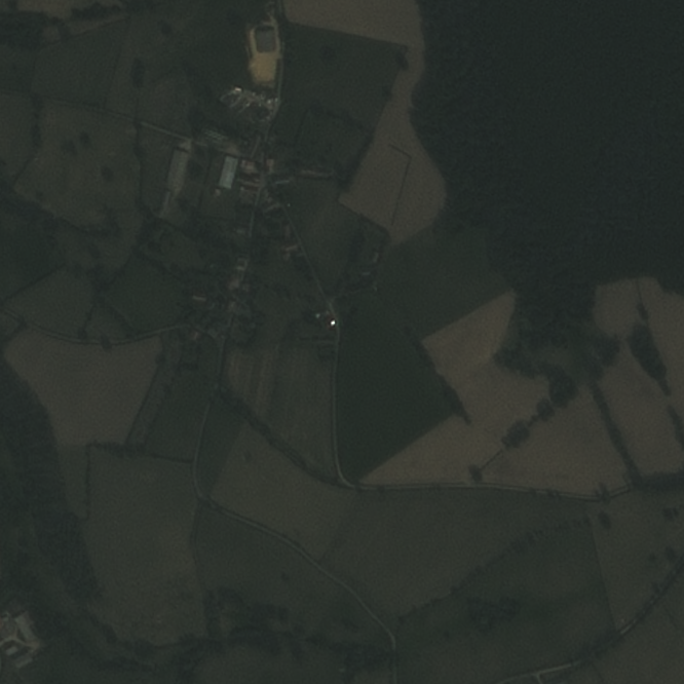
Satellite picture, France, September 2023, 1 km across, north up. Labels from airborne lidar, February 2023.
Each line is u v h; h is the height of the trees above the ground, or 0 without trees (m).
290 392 0
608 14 23
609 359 18
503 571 0
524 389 0
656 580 0
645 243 22
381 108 0
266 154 7
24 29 6
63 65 0
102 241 0
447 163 20
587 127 21
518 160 24
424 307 0
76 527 15
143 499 0
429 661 0
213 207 0
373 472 0
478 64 19
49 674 0
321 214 0
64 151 10
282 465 0
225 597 17
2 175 0
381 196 0
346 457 0
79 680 0
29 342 0
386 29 0
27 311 0
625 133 27
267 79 0
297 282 0
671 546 0
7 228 0
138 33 0
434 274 0
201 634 0
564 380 21
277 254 0
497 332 0
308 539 0
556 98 20
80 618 0
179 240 0
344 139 0
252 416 10
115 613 0
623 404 0
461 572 0
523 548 13
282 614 13
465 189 21
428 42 19
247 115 0
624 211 19
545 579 0
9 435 8
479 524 0
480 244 0
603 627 0
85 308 0
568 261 27
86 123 0
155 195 0
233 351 0
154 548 0
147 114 0
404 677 0
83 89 0
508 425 0
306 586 0
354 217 0
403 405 0
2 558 7
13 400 0
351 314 7
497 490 0
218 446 0
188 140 0
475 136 26
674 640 0
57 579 0
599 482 0
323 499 0
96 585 13
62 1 0
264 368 0
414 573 0
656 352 17
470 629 0
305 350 0
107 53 0
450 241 0
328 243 0
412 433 0
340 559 0
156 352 0
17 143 0
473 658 0
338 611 0
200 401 0
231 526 0
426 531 0
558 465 0
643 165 27
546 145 21
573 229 22
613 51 24
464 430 0
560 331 7
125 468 0
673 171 21
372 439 0
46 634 8
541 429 0
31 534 0
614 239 19
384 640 0
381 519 0
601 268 22
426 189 0
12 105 0
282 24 16
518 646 0
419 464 0
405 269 0
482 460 0
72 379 0
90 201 0
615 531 0
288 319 0
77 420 0
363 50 0
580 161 21
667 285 20
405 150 0
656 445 0
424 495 0
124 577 0
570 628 0
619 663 0
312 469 0
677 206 20
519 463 0
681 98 25
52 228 15
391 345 0
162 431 0
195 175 12
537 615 0
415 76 0
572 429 0
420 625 0
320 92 0
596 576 0
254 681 0
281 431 0
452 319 0
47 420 7
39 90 0
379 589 0
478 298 0
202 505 10
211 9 0
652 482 13
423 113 12
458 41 15
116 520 0
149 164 0
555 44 23
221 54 0
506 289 0
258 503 0
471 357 0
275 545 0
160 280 0
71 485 0
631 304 0
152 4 14
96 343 0
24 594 7
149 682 0
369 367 0
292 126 0
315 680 0
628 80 23
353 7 0
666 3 25
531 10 20
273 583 0
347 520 0
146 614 0
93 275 7
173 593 0
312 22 0
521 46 24
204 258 9
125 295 0
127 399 0
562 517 0
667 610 0
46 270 0
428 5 15
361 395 0
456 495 0
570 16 22
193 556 0
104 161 0
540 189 27
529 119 20
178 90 0
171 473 0
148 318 0
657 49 24
